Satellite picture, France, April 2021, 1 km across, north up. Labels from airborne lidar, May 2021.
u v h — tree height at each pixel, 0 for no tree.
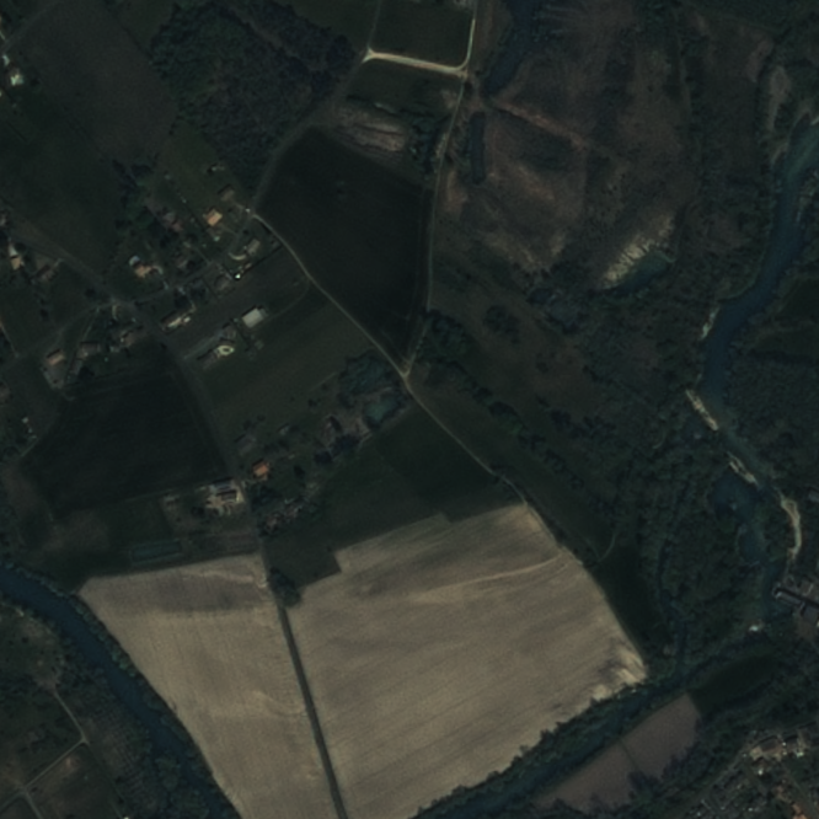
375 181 0
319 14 0
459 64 0
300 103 16
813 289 0
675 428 10
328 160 0
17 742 0
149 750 13
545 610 0
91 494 0
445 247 0
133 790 15
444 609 0
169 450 0
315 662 0
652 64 0
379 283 0
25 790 0
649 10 10
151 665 0
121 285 0
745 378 20
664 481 14
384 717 0
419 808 0
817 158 0
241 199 0
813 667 13
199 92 20
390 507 0
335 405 0
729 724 14
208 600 0
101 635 12
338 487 0
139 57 0
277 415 0
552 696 0
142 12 0
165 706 12
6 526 14
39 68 0
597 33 0
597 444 19
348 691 0
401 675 0
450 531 0
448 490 0
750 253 8
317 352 0
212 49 25
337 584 0
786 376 21
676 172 0
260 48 23
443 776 0
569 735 14
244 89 6
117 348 10
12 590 0
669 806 26
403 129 0
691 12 0
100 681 14
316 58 21
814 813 0
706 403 0
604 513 14
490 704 0
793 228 0
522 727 0
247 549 0
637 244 0
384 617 0
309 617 0
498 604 0
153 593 0
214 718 0
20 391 0
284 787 0
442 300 0
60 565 0
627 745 0
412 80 0
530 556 0
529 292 7
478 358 0
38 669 0
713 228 11
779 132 8
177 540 0
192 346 0
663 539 20
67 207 0
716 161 9
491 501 0
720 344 0
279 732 0
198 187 0
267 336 0
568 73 0
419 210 0
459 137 12
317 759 0
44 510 0
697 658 13
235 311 0
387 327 0
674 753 0
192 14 13
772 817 0
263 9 23
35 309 0
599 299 16
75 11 0
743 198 22
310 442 12
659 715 0
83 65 0
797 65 12
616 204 0
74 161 0
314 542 0
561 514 0
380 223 0
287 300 0
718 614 13
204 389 0
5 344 10
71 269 0
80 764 0
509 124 0
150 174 15
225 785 0
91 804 0
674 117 0
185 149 0
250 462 0
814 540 11
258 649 0
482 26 0
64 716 0
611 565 0
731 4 15
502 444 0
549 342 0
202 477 0
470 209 0
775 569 0
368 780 0
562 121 0
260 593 0
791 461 21
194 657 0
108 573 0
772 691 8
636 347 8
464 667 0
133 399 0
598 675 0
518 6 0
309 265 0
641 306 7
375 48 0
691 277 10
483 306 0
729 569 14
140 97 0
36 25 0
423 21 0
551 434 0
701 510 13
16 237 0
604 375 7
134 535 0
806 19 0
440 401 0
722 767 7
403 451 0
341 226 0
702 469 15
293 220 0
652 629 0
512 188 0
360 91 0
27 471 0
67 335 0
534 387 0
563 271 12
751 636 0
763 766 0
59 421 0
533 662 0
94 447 0
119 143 0
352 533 0
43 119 0
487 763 0
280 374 0
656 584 9
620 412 7
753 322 13
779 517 12
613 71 0
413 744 0
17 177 0
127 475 0
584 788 0
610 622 0
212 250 0
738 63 0
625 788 0
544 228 0
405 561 0
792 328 16
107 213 0
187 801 16
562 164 0
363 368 6
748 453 0
